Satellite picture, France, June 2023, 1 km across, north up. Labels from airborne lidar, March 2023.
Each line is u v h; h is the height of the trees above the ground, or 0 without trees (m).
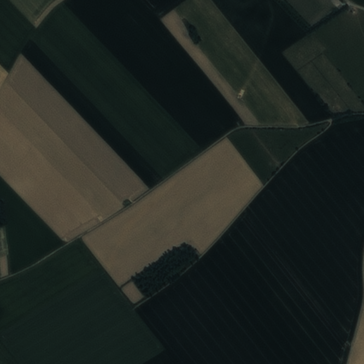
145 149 0
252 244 0
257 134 0
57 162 0
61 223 0
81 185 0
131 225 0
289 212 0
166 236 0
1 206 17
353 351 0
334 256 0
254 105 0
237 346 0
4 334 0
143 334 0
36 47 0
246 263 0
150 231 0
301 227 0
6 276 0
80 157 0
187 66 0
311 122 0
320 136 0
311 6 0
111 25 0
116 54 0
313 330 0
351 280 0
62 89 0
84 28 0
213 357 0
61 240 0
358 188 0
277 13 0
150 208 0
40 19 0
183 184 0
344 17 0
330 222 0
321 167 0
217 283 0
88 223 0
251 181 0
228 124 0
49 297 0
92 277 0
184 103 0
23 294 0
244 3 0
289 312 0
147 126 0
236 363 0
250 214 0
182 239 0
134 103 0
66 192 0
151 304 0
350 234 0
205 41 0
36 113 0
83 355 0
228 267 0
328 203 0
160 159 0
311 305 0
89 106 0
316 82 0
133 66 0
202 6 0
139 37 0
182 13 0
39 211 0
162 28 0
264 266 0
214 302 0
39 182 0
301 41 0
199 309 0
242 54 0
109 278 0
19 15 0
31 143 0
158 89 0
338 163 0
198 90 0
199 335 0
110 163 0
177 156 0
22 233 0
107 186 0
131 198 0
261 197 0
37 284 0
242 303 0
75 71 0
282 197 0
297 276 0
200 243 0
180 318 0
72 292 0
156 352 0
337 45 0
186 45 0
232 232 0
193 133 0
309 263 0
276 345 0
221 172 0
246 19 0
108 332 0
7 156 0
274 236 0
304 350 0
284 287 0
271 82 0
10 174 0
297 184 0
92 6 0
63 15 0
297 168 0
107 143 0
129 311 0
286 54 0
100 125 0
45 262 0
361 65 0
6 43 0
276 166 0
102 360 0
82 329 0
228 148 0
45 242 0
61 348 0
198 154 0
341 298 0
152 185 0
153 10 0
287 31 0
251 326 0
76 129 0
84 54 0
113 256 0
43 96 0
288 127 0
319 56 0
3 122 0
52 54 0
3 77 0
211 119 0
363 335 0
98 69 0
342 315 0
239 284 0
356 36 0
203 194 0
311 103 0
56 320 0
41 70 0
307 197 0
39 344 0
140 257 0
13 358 0
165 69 0
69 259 0
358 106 0
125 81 0
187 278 0
